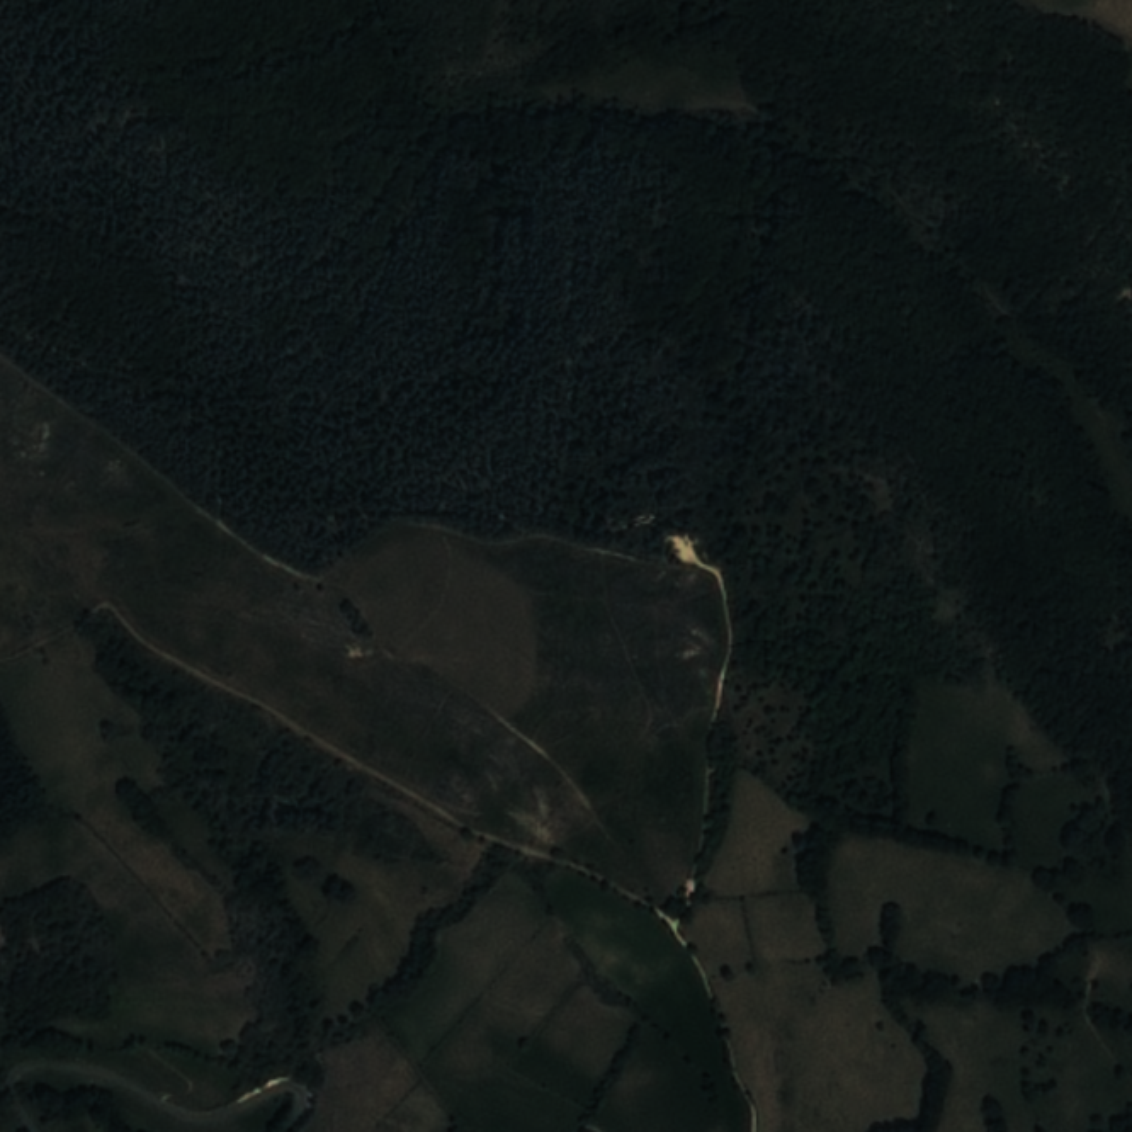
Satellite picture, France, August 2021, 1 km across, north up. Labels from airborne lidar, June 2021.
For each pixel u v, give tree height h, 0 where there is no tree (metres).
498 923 0
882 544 7
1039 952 0
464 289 15
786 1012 0
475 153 12
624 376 17
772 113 11
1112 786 12
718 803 6
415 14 16
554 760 0
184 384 13
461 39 12
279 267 10
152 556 0
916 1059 0
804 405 5
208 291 15
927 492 9
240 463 15
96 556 0
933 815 7
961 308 13
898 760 15
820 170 15
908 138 11
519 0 8
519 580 0
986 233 16
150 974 0
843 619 12
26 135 16
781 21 16
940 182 10
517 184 8
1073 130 10
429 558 0
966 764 0
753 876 0
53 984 16
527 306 17
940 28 14
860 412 8
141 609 0
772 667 12
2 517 0
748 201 13
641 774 0
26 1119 0
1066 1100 0
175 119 10
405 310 13
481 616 0
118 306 9
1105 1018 12
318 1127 0
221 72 19
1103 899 0
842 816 17
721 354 15
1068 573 13
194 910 0
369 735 0
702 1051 0
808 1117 0
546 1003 0
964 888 0
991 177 13
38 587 0
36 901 13
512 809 0
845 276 8
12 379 0
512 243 16
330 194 12
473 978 0
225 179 9
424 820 0
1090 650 16
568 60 14
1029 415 14
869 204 15
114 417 15
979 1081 0
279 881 13
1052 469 16
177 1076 0
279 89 13
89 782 0
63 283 8
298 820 26
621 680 0
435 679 0
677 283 17
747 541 14
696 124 13
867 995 0
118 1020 0
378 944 0
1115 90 15
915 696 17
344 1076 0
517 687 0
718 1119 0
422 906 0
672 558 9
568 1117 0
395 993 16
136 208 9
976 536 13
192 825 0
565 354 12
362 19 13
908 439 12
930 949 0
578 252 11
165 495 0
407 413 16
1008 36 19
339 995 0
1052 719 12
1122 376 15
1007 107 7
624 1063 10
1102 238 6
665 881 0
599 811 0
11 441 0
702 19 14
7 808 31
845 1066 0
